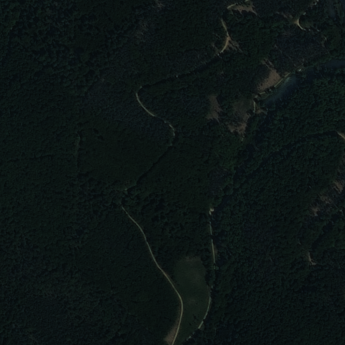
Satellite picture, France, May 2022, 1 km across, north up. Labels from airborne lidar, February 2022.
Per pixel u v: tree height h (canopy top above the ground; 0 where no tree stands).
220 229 26
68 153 20
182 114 20
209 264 26
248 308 30
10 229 29
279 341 26
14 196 23
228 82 26
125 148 15
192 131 22
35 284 28
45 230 28
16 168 20
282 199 34
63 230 29
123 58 27
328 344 30
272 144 30
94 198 32
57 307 12
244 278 32
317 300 34
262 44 26
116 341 27
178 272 0
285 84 0
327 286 32
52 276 26
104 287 17
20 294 12
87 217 14
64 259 28
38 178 24
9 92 27
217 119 0
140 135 16
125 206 25
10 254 27
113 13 14
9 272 27
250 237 31
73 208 25
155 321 15
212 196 30
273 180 36
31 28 32
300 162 34
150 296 15
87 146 13
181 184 22
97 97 28
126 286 16
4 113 27
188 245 22
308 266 28
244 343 33
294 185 34
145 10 31
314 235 35
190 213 17
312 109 29
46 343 7
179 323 0
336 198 29
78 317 10
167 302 21
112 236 17
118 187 37
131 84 25
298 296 28
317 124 32
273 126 32
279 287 29
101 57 31
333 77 39
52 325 14
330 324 29
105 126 15
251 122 25
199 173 19
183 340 0
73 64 34
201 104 37
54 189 26
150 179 25
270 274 32
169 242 24
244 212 30
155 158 18
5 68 30
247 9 0
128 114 27
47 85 32
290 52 29
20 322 11
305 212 24
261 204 21
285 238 32
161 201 43
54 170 27
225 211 34
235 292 30
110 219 18
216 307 19
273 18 37
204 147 23
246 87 31
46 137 24
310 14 25
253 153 31
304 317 29
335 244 34
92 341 7
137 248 18
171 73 22
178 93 32
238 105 0
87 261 16
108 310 27
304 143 33
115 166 23
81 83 30
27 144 22
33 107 30
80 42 14
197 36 26
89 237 14
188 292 0
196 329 0
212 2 39
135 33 25
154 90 22
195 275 0
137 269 16
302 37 11
